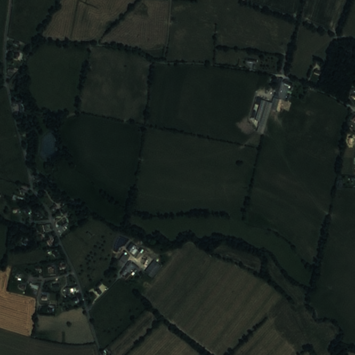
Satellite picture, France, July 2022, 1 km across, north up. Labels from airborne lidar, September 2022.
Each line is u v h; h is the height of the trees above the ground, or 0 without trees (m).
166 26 0
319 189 0
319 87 20
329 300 0
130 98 0
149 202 0
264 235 0
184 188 0
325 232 21
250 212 0
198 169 0
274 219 0
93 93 0
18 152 0
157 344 0
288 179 0
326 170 0
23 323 0
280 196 0
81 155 0
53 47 0
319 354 0
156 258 0
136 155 0
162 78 0
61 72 0
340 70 20
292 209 0
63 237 8
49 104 0
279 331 0
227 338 0
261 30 0
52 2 0
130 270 0
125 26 0
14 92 6
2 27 0
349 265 0
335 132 0
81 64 0
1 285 0
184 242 14
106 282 0
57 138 33
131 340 0
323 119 0
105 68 0
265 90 0
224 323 0
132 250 0
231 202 0
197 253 0
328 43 0
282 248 0
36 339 6
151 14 0
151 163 0
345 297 0
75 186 0
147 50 0
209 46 0
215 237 17
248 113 0
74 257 0
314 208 0
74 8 0
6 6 0
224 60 0
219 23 0
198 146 0
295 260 0
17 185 16
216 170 0
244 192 0
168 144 0
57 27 0
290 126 0
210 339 0
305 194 0
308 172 0
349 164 0
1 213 0
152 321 0
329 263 0
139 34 0
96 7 0
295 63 0
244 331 0
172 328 12
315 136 0
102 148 0
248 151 0
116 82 0
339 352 9
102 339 0
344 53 18
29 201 10
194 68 0
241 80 0
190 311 0
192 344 14
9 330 0
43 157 0
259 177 0
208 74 0
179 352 0
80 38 0
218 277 0
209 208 0
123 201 0
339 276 0
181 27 0
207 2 0
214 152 0
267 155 0
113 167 0
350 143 8
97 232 0
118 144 0
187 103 0
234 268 0
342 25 20
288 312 0
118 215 0
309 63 0
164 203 0
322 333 0
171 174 0
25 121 15
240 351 0
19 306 0
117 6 0
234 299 0
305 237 0
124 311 0
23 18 0
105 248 0
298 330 0
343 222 0
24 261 0
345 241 0
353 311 0
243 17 0
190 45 0
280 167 0
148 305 20
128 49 14
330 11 0
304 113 0
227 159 0
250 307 0
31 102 21
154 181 0
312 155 0
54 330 0
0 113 0
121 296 0
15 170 0
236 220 0
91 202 0
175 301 0
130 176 0
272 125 0
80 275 6
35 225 10
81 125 0
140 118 0
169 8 0
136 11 0
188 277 0
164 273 0
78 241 0
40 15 0
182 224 0
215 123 0
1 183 0
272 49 0
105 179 0
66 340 0
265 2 0
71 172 0
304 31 0
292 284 13
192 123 0
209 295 0
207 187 0
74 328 0
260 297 0
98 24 0
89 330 0
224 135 0
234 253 0
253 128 0
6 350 0
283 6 0
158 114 0
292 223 0
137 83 0
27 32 0
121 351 0
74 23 0
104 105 0
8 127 0
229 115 0
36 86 0
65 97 0
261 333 0
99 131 0
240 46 0
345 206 0
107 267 0
